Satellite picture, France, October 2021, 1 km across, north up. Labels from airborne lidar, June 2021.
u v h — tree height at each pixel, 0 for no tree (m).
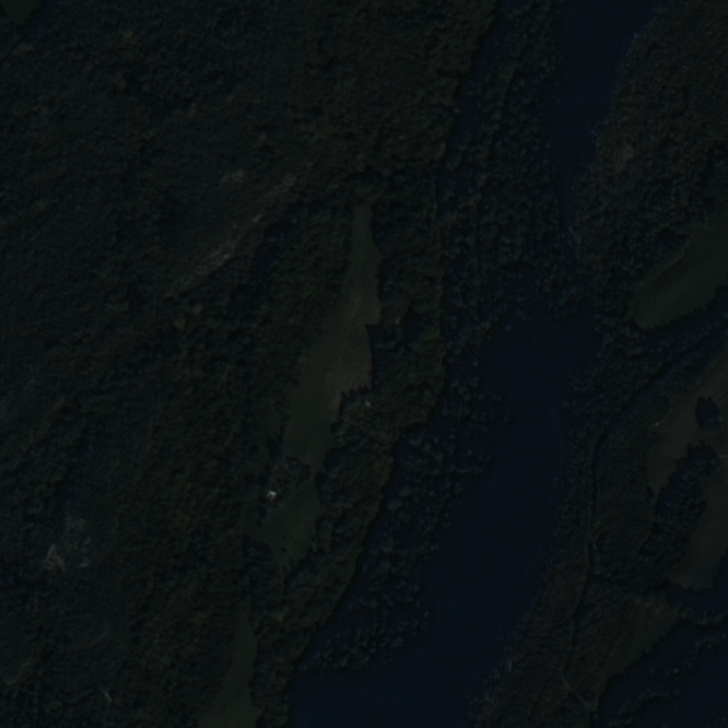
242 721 0
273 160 20
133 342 16
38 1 0
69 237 9
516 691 14
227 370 23
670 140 10
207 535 22
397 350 32
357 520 24
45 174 11
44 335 15
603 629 18
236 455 25
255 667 7
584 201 11
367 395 12
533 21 31
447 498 22
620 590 18
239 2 15
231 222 8
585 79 23
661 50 13
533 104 25
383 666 20
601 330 16
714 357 13
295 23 13
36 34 16
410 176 13
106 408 12
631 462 17
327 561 18
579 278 17
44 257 8
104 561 7
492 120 25
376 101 11
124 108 15
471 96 22
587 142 17
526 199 23
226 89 14
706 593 0
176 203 22
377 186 28
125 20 9
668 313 0
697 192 11
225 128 9
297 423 0
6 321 9
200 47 10
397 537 22
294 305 23
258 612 25
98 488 8
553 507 14
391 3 24
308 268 22
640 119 8
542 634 14
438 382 25
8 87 12
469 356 13
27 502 21
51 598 13
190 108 20
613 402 21
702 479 12
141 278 7
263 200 18
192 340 21
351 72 21
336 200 26
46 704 25
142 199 14
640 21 30
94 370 10
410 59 22
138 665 23
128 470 9
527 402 33
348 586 22
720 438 0
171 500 23
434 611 25
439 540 21
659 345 18
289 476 9
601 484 15
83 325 13
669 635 0
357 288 0
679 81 14
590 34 31
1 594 14
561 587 13
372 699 16
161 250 16
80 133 15
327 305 20
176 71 14
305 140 22
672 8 18
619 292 24
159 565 18
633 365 25
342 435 10
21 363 8
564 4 23
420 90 35
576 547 15
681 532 18
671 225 28
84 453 10
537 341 33
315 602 23
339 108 20
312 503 0
